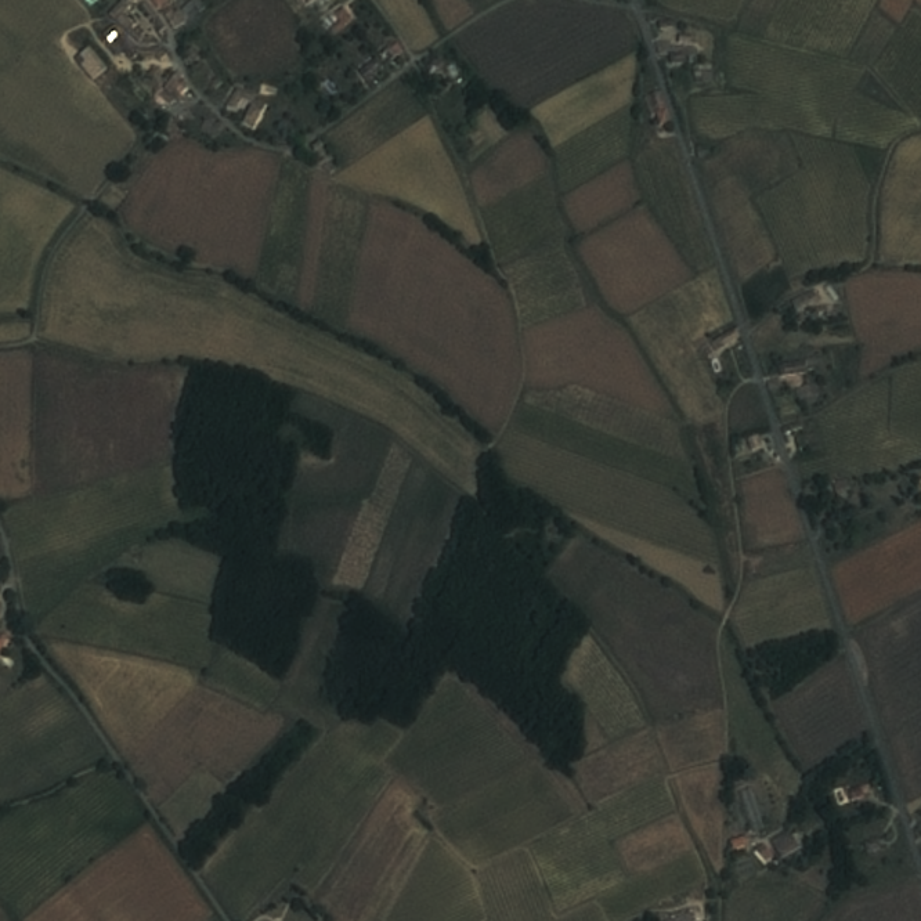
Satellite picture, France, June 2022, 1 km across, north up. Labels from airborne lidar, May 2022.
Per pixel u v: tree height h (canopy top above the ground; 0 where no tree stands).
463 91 8
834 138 0
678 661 0
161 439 0
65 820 0
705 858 0
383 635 17
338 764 0
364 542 0
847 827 15
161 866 0
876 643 0
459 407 12
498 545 19
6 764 0
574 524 12
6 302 0
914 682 0
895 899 0
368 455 0
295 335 0
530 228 0
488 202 0
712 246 0
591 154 0
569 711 14
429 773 0
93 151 0
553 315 0
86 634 0
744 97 0
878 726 0
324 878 0
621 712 0
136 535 0
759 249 0
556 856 0
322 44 7
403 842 0
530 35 0
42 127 0
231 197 0
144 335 0
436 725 0
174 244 0
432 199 0
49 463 0
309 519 0
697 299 0
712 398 0
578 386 0
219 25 0
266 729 0
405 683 9
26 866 0
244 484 22
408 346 0
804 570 0
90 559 0
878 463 0
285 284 0
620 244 0
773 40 0
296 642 15
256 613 19
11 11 0
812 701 0
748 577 0
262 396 20
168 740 0
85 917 0
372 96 0
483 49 0
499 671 20
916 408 0
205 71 0
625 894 0
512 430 0
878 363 0
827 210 0
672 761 0
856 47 0
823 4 0
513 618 19
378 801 0
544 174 0
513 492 10
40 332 0
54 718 0
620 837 0
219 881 0
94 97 0
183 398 9
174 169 0
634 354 0
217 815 11
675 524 0
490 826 0
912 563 0
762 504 0
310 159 15
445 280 0
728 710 0
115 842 0
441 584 10
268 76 0
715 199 0
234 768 0
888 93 0
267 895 0
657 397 0
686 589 0
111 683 0
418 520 0
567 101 0
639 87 7
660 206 0
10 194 0
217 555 12
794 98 0
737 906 0
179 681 0
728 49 0
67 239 0
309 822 0
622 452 0
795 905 0
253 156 0
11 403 0
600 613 0
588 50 0
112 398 0
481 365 0
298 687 0
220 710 0
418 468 0
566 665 14
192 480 18
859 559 0
